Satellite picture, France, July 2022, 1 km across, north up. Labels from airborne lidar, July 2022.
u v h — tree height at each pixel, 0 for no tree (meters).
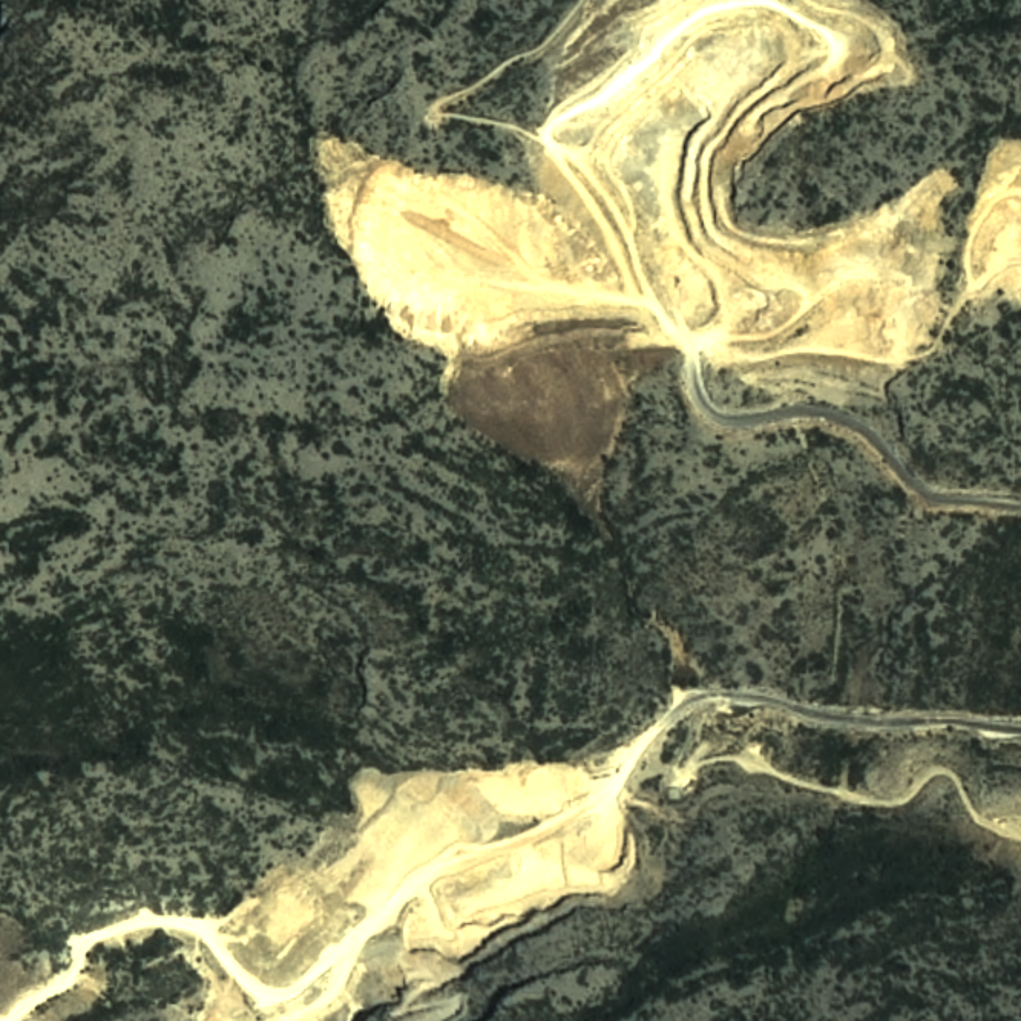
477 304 0
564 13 0
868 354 0
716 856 0
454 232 0
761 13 0
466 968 0
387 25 0
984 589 0
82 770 0
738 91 0
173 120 0
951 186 0
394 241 0
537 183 0
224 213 0
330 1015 0
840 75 0
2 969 0
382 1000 0
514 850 0
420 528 0
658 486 0
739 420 0
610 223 0
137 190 0
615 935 0
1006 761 0
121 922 0
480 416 0
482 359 0
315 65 0
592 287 0
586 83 0
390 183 0
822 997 0
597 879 0
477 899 0
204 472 0
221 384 0
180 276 0
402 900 0
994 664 0
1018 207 0
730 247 0
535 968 0
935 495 0
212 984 0
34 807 0
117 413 0
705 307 0
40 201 0
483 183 0
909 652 0
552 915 0
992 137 0
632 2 0
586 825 0
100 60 0
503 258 0
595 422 0
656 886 0
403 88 0
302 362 0
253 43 0
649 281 0
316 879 0
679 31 0
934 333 6
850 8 0
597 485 0
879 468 0
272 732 8
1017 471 0
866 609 0
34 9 0
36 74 0
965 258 0
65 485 0
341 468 0
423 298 0
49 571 0
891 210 0
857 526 0
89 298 0
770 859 0
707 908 0
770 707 0
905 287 0
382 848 0
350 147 0
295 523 5
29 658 0
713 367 0
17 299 0
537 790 0
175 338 0
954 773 0
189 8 0
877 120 0
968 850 5
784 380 0
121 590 0
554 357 0
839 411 0
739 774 0
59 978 0
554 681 0
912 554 0
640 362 0
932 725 0
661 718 0
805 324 0
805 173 0
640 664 0
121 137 0
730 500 0
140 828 0
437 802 0
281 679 0
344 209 0
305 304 0
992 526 0
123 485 0
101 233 0
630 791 0
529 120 0
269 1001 0
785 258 0
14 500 0
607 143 0
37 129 0
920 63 0
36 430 0
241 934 0
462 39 0
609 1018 6
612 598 0
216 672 0
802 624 0
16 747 0
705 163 0
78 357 0
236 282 0
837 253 0
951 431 0
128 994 0
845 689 0
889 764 0
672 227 0
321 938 0
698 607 0
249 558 0
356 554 0
